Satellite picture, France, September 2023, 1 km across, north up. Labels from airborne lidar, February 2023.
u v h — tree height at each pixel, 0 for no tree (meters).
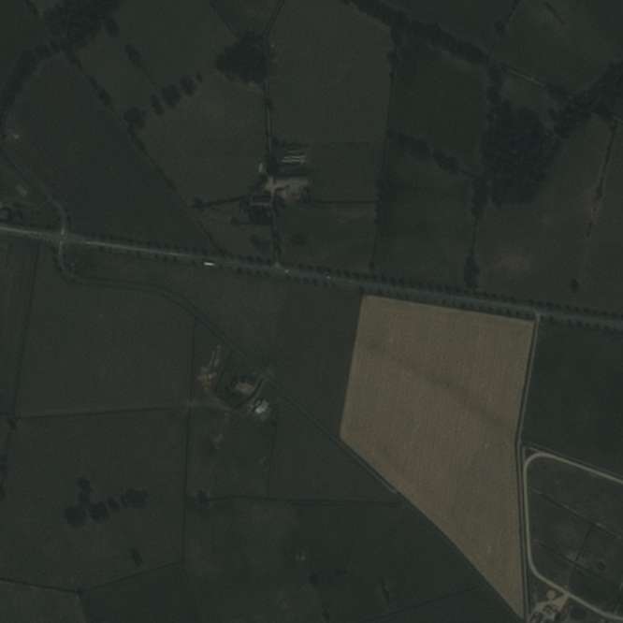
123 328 0
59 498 0
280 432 0
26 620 0
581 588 0
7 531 0
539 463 0
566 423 0
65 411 0
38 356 0
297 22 0
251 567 0
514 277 0
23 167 0
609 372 0
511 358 0
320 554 0
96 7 17
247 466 0
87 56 0
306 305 0
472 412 0
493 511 0
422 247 0
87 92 0
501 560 0
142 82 0
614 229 0
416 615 0
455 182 0
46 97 0
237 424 0
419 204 0
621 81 21
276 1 0
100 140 0
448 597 0
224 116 0
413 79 0
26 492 0
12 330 0
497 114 9
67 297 0
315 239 0
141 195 0
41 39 0
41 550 0
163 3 0
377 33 0
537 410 0
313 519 0
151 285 0
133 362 0
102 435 0
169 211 0
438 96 0
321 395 0
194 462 0
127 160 0
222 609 0
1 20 0
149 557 0
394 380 0
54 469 0
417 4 0
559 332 0
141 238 0
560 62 0
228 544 0
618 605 0
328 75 0
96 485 0
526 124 11
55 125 0
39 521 0
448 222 0
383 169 0
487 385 0
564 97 21
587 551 0
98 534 0
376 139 0
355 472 0
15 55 0
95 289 0
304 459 0
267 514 0
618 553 0
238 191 0
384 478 0
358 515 0
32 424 0
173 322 0
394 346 0
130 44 0
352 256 0
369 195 0
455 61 0
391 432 0
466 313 0
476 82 0
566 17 0
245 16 0
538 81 0
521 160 7
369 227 0
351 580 0
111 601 0
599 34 0
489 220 0
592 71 0
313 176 0
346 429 0
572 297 0
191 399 0
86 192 0
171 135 0
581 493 0
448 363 0
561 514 0
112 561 0
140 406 0
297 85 0
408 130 0
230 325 0
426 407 0
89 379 0
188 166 0
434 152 0
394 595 0
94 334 0
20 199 0
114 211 0
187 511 0
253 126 0
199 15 0
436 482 0
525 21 0
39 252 0
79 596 6
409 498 0
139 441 0
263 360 0
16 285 0
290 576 0
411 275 0
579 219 0
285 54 0
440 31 16
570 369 0
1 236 0
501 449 0
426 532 0
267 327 0
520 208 0
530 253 0
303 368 0
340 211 0
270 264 7
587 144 0
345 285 0
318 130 0
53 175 0
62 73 0
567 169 0
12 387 0
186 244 0
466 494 0
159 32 0
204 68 0
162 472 0
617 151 0
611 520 0
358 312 0
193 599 0
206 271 0
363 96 0
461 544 0
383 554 0
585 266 0
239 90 0
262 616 0
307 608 0
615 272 0
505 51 0
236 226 0
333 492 0
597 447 0
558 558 0
